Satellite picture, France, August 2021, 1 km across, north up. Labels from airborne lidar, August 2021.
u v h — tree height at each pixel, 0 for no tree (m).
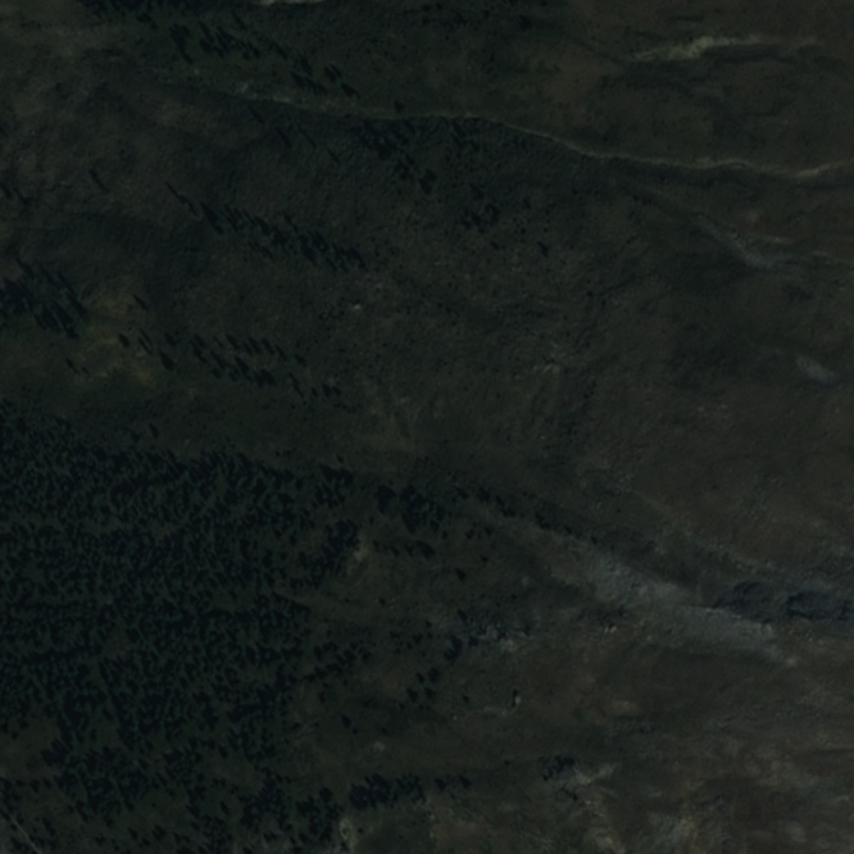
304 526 12
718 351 0
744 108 0
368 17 0
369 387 0
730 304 0
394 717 0
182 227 0
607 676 0
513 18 0
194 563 16
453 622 0
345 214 0
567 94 0
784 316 0
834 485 0
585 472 0
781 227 0
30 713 18
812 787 0
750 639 0
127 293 0
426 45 0
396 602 0
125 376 0
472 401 0
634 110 0
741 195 0
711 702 0
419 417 0
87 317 24
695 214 0
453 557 0
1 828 0
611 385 0
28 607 9
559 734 0
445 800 0
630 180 0
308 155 0
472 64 0
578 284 0
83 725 24
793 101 0
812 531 0
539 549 0
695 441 0
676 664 0
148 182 0
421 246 0
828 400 0
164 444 0
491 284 0
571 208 0
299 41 0
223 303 0
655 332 0
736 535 0
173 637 23
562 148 0
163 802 0
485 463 0
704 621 0
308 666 0
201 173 0
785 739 0
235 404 0
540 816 0
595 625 0
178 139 0
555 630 0
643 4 0
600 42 0
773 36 0
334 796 16
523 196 0
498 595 0
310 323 0
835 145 0
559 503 0
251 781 0
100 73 0
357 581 0
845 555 0
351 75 0
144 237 0
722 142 0
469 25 9
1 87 0
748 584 0
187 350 0
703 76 0
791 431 0
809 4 0
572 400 0
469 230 12
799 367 0
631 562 0
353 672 8
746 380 0
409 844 0
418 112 0
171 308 0
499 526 0
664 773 0
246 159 0
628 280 0
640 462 0
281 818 11
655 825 0
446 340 0
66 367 0
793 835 0
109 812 14
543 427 0
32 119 0
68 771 19
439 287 0
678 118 0
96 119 0
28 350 0
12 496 9
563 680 0
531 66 0
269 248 0
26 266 0
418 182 12
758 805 0
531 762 0
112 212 0
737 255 0
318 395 14
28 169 0
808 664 0
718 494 0
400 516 0
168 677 21
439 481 0
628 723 0
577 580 0
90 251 0
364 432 0
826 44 0
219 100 0
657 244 0
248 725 13
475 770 0
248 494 12
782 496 0
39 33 0
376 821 0
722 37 0
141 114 0
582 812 0
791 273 0
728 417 0
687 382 0
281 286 0
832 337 0
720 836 0
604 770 0
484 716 0
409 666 0
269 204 0
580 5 0
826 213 0
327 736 0
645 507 0
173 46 0
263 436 0
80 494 15
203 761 14
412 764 0
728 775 0
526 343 0
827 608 0
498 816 0
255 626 12
